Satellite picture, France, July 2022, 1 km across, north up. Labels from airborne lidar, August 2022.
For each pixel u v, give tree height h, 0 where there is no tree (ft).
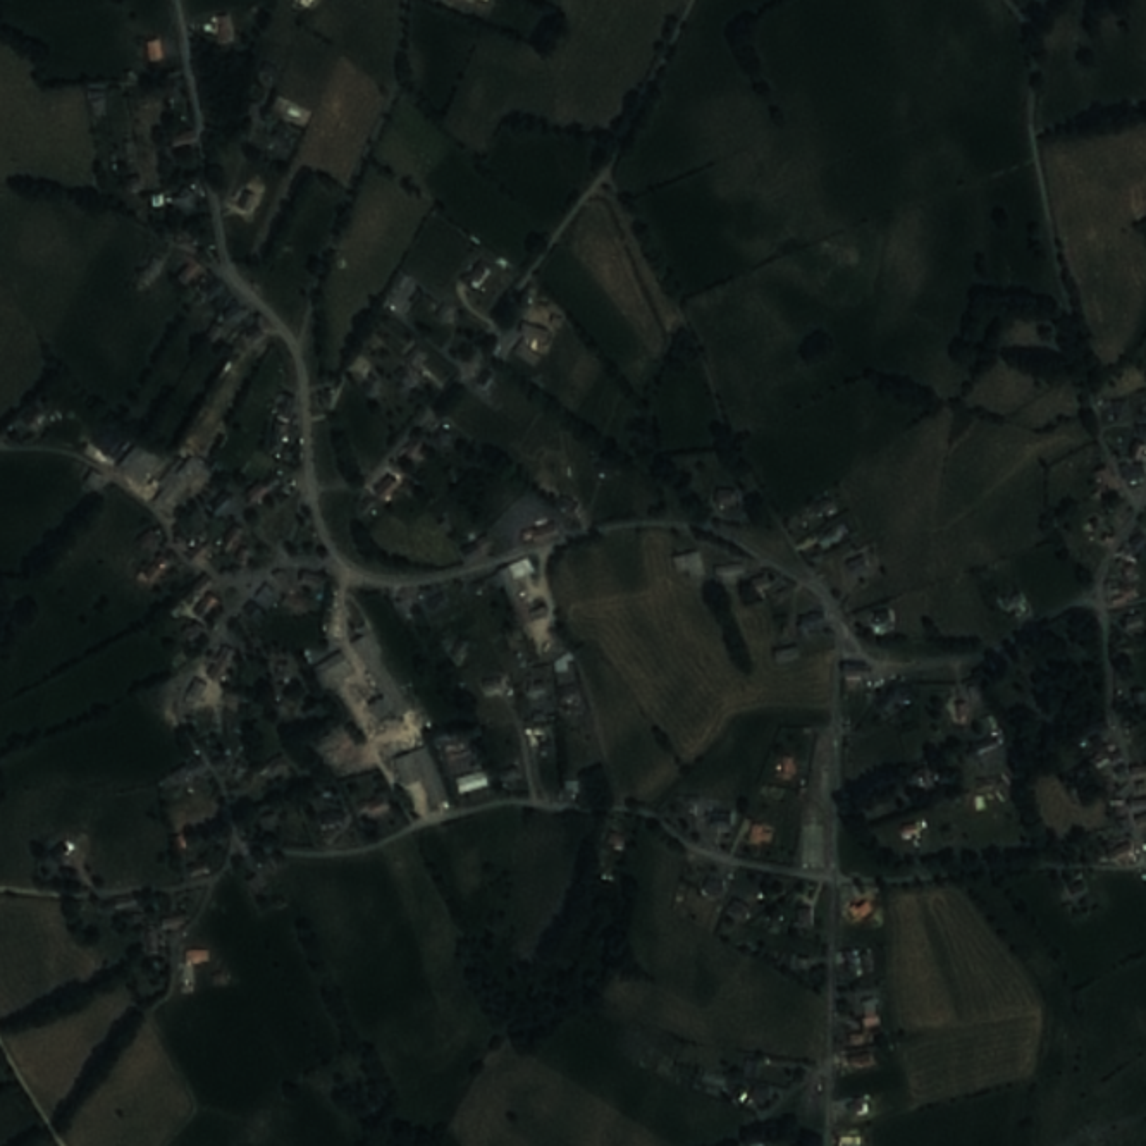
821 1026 0
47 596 0
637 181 0
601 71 0
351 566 0
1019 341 0
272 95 22
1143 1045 0
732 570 0
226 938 0
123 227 0
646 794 0
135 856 0
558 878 0
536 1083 0
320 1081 0
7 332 0
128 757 0
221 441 19
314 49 0
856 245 0
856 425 0
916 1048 0
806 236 0
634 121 47
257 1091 0
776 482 0
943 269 0
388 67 0
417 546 0
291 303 0
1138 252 0
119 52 0
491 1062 0
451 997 0
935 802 51
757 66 59
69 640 0
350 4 0
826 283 0
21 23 0
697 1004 0
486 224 0
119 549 0
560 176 0
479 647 0
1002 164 0
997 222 52
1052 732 77
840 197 0
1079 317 45
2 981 0
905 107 0
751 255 0
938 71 0
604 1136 0
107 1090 0
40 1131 41
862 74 0
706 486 0
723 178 0
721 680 0
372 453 0
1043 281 0
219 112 38
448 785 34
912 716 21
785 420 0
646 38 0
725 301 0
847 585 0
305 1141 0
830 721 0
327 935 0
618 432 0
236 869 40
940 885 32
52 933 0
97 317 0
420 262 0
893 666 0
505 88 0
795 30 0
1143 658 0
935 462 0
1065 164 0
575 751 0
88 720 39
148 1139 0
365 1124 61
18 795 0
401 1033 0
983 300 61
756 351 0
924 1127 0
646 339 0
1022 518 0
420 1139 61
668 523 0
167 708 0
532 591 0
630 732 0
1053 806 0
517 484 40
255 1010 0
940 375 0
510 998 29
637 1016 0
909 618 0
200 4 0
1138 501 0
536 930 0
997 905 0
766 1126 27
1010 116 0
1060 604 0
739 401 0
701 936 0
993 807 0
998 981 0
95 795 0
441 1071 0
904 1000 0
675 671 0
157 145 50
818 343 57
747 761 0
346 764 0
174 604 35
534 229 0
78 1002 61
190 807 0
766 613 0
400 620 20
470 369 0
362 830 21
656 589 0
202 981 0
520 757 0
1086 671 39
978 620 0
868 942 0
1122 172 0
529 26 0
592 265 0
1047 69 0
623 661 0
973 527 0
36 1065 0
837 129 0
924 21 0
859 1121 0
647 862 0
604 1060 0
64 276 0
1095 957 0
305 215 0
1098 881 0
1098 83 0
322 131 0
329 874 0
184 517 47
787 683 0
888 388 67
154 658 0
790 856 20
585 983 27
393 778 0
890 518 0
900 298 0
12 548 0
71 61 0
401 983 0
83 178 0
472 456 49
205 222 21
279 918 0
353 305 0
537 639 0
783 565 0
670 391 0
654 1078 0
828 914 0
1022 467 0
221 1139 0
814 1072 0
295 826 0
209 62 42
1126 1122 0
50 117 0
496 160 0
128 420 48
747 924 0
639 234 59
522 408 0
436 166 0
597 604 0
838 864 0
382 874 0
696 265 0
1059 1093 0
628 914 17
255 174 0
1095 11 61
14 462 0
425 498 41
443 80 0
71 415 0
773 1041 0
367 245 0
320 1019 0
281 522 0
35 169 0
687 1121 0
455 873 0
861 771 0
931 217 0
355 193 27
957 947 0
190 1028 0
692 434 0
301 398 0
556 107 0
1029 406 0
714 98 0
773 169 0
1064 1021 0
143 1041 0
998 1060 0
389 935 0
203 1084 0
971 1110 0
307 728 57
